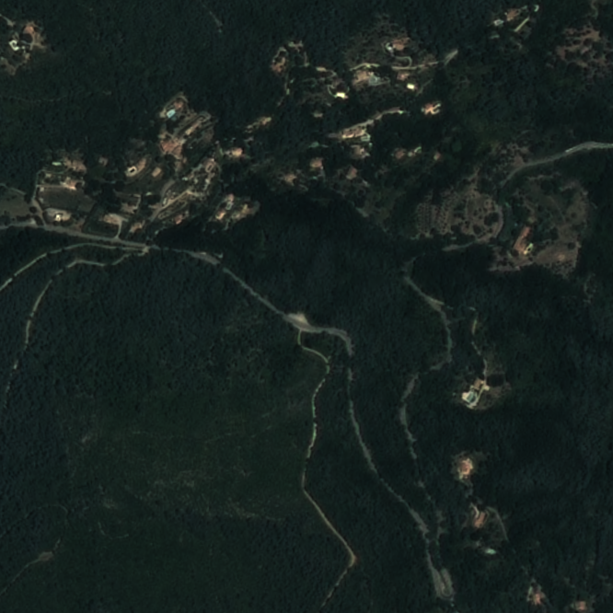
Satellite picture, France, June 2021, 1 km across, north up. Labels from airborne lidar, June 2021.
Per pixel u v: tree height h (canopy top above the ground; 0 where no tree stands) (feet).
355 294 39
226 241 33
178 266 46
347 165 38
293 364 30
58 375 28
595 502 75
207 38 40
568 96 59
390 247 31
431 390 37
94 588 25
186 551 18
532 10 67
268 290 64
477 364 30
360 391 58
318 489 48
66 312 35
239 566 21
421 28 74
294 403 18
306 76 34
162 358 34
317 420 33
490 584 42
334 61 50
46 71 22
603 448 73
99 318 20
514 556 40
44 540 33
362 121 29
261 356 38
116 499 24
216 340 45
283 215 38
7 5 31
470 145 38
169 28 30
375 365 29
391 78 29
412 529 29
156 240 43
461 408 39
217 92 42
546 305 56
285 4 33
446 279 65
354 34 36
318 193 51
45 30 29
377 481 57
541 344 21
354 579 39
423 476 43
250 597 25
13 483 57
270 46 64
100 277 48
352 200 35
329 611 39
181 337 49
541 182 22
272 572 26
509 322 42
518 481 51
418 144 42
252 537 23
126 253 22
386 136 45
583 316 65
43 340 37
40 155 54
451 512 63
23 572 18
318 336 36
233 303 52
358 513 49
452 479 52
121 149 26
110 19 49
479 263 55
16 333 33
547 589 43
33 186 33
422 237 31
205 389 27
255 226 35
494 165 33
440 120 50
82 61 50
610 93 68
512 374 37
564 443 64
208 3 35
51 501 26
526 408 33
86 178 31
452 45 56
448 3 49
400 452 52
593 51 35
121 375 32
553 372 28
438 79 38
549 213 20
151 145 38
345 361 54
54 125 38
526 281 74
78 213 25
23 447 55
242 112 31
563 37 32
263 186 43
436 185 42
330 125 65
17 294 32
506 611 51
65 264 31
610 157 30
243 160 38
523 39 54
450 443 54
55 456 27
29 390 34
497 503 30
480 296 72
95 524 17
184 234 62
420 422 54
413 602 54
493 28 40
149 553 18
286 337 44
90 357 34
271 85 62
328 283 64
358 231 45
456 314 53
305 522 57
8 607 18
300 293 38
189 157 34
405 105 19
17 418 40
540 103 39
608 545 57
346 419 33
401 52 46
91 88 26
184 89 51
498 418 51
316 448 34
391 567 40
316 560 47
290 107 58
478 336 34
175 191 0
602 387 49
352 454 29
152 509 24
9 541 18
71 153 29
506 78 81
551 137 19
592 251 46
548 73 20
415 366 53
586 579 61
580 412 62
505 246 33
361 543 26
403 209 23
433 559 41
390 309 65
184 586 20
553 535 47
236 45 56
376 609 21
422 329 19
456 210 18
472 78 41
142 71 41
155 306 50
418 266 51
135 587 18
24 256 20
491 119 29
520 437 69
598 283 22
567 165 31
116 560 21
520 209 57
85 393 36
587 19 37
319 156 26
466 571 41
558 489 62
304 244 59
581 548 53
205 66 49
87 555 25
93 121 28
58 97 35
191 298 45
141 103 29
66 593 29
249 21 43
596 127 31
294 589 30
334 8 64
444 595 0
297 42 47
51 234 21
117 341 44
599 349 71
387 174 36
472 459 0
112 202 34
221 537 22
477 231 36
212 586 18
